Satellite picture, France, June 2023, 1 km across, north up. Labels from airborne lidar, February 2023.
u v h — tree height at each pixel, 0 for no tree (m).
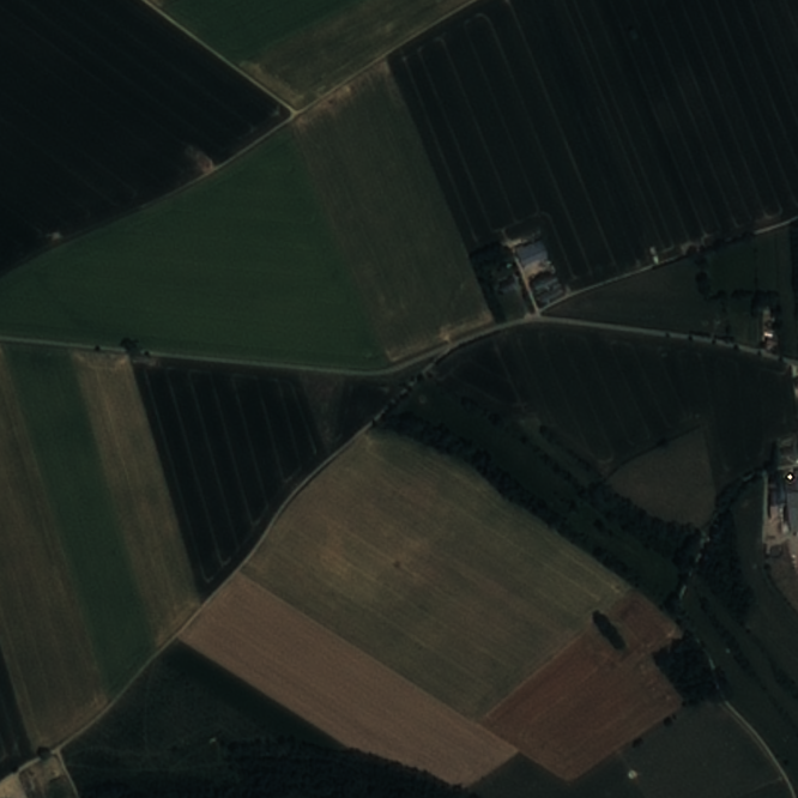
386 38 0
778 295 8
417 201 0
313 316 0
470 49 0
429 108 0
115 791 16
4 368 0
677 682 13
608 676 0
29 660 0
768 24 0
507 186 0
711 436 0
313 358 0
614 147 0
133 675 0
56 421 0
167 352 0
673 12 0
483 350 0
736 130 0
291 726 0
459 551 0
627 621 0
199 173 0
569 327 0
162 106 0
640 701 0
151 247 0
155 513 0
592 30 0
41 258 0
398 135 0
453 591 0
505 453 0
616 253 0
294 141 0
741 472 0
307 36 0
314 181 0
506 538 0
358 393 0
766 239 0
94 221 0
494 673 0
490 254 11
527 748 0
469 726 0
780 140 0
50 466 0
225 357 0
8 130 0
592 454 0
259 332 0
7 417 0
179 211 0
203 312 0
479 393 0
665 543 7
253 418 0
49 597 0
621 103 0
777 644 0
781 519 0
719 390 0
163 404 0
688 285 0
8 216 0
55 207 0
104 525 0
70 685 0
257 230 0
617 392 0
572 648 0
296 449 0
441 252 0
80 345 0
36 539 0
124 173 0
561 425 0
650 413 0
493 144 0
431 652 0
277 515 0
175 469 0
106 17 0
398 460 0
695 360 0
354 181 0
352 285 0
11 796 0
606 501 21
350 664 0
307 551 0
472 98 0
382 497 0
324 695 0
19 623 0
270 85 0
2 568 0
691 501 0
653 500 0
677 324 0
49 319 0
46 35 0
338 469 0
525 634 0
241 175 0
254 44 0
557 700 0
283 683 0
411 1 0
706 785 0
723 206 0
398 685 0
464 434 0
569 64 0
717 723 0
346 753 7
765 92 0
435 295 0
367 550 0
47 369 0
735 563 9
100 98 0
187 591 0
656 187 0
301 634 0
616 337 0
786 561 0
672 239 0
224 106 0
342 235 0
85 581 0
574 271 0
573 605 0
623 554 0
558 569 0
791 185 0
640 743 6
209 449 0
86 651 0
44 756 12
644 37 0
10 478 0
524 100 0
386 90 0
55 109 0
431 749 0
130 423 0
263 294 0
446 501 0
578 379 0
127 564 0
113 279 0
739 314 0
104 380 0
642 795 0
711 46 0
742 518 0
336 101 0
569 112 0
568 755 0
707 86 0
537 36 0
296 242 0
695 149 0
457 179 0
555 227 0
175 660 0
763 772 0
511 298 0
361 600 0
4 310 0
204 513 0
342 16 0
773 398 0
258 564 0
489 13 0
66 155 0
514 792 0
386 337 0
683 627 11
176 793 9
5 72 0
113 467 0
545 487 0
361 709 0
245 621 0
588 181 0
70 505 0
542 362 0
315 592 0
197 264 0
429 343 0
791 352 0
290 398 0
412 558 0
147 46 0
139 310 0
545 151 0
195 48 0
